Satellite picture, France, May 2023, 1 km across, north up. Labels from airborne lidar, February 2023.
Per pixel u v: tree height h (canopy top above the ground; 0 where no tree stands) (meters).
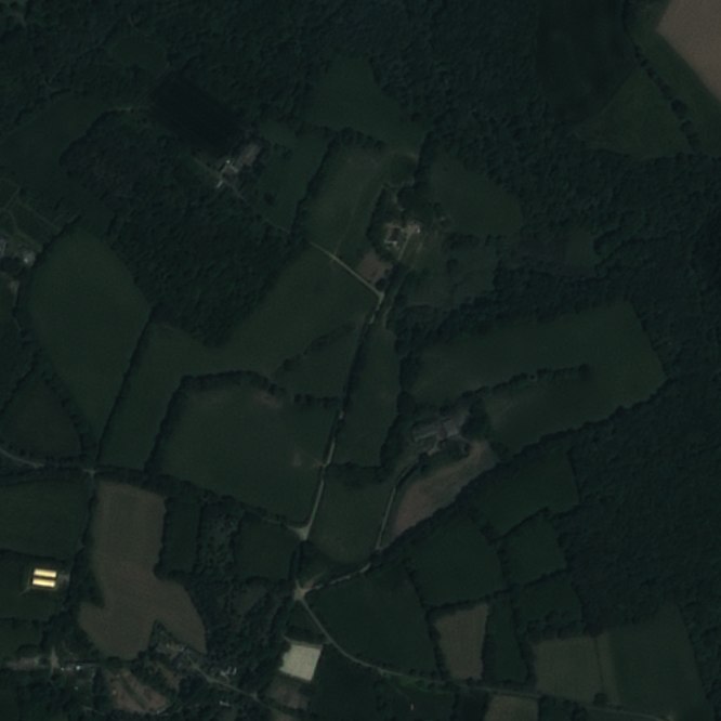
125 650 0
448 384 0
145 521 0
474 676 0
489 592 0
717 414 21
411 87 24
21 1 0
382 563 13
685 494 22
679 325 18
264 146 18
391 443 10
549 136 14
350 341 0
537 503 0
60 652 0
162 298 8
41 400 0
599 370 0
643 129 0
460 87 19
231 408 0
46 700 19
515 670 0
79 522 0
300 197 0
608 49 0
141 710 0
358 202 0
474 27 18
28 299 8
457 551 0
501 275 17
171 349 0
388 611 0
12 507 0
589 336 0
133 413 0
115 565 0
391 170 0
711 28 0
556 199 13
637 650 0
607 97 0
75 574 14
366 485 0
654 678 0
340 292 0
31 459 14
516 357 0
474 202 0
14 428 0
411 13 22
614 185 16
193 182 12
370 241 9
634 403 0
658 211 14
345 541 0
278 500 0
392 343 0
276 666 15
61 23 13
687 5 0
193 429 0
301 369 0
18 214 0
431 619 13
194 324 10
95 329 0
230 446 0
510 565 10
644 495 19
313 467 0
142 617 0
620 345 0
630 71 0
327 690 0
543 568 0
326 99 0
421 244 0
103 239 7
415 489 0
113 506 0
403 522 0
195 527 0
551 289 20
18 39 19
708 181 20
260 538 0
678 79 0
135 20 11
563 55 0
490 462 0
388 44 24
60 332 0
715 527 19
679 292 18
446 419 11
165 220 12
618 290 19
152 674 6
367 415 0
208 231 23
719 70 0
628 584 23
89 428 8
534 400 0
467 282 0
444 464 0
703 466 21
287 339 0
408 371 18
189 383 17
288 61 19
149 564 0
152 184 15
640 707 0
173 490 18
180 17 12
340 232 0
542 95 6
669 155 0
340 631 0
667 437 20
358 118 0
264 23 14
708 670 11
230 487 0
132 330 0
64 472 13
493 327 10
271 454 0
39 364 11
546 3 0
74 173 16
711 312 17
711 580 22
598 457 20
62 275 0
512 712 0
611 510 21
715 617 8
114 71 9
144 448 0
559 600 0
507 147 19
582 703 0
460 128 25
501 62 13
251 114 10
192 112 0
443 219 11
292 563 7
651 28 0
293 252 13
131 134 12
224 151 0
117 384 0
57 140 0
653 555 24
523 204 13
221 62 9
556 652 0
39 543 0
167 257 8
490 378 0
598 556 20
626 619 20
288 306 0
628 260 18
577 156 14
